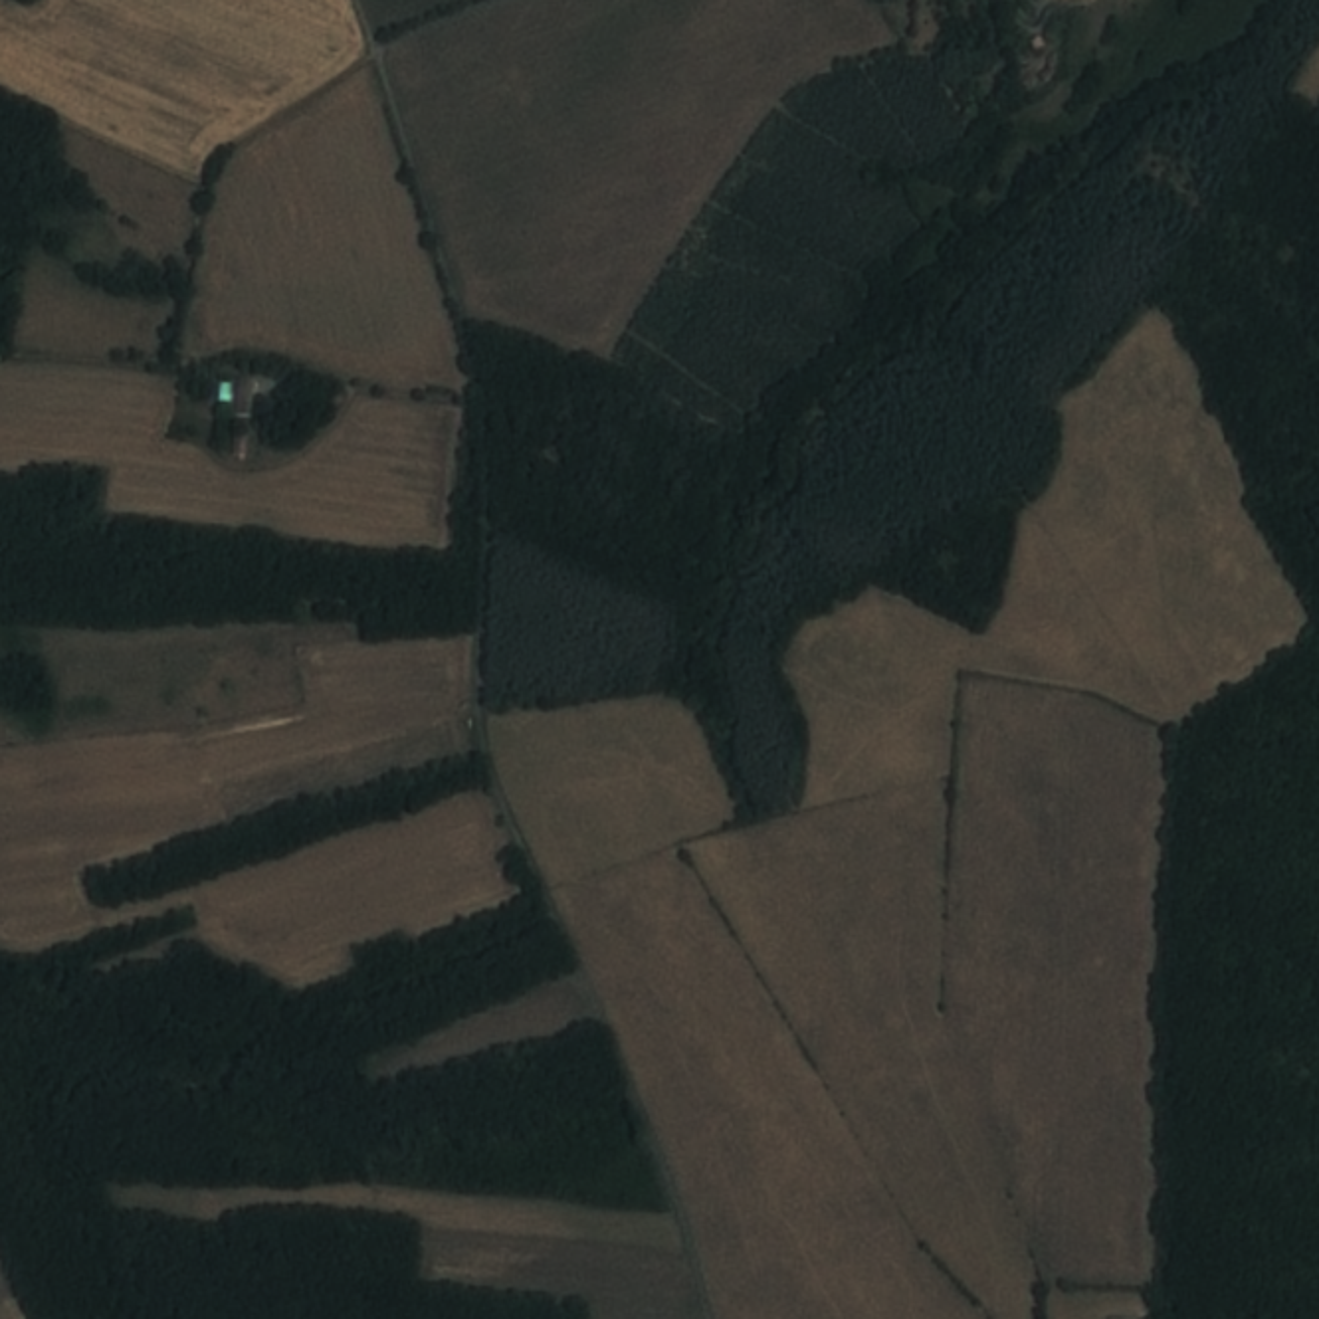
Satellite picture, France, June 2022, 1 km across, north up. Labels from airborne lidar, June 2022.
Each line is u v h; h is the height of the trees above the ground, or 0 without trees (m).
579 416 14
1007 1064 0
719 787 0
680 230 0
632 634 14
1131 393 0
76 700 0
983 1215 0
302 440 15
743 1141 0
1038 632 0
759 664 16
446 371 0
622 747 0
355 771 0
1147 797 0
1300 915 11
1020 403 18
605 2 0
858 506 20
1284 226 13
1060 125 0
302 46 0
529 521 14
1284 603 0
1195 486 0
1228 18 0
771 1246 0
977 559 15
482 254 0
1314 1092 12
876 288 11
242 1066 21
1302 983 13
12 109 16
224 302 0
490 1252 0
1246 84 20
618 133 0
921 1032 0
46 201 7
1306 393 12
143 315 0
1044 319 24
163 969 16
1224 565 0
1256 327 14
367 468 0
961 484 16
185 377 7
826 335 9
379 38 9
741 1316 0
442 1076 16
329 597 16
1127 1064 0
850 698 0
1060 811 0
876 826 0
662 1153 0
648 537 15
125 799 0
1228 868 14
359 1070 21
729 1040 0
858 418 17
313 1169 13
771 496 22
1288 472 14
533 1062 19
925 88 8
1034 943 0
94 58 0
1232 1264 16
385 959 6
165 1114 16
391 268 0
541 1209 0
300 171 0
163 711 0
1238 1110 15
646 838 0
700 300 8
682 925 0
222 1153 14
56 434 0
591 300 0
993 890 0
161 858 14
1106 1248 0
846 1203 0
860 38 0
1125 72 0
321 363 0
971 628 11
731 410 9
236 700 0
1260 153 20
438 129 0
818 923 0
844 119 7
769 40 0
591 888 0
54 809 0
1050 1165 0
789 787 15
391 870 0
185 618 14
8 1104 16
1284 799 11
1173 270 14
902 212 9
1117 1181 0
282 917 0
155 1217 12
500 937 15
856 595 12
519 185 0
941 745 0
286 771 0
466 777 15
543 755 0
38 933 0
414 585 18
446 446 0
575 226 0
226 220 0
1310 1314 18
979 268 16
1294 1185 14
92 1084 20
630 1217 0
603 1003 0
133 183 0
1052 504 0
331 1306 21
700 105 0
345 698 0
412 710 0
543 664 15
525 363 22
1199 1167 12
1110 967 0
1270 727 15
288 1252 19
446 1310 21
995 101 13
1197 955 13
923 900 0
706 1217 0
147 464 0
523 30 0
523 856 15
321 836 14
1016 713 0
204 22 0
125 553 21
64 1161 17
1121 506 0
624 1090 18
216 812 0
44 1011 14
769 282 7
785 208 9
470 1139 20
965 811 0
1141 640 0
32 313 0
